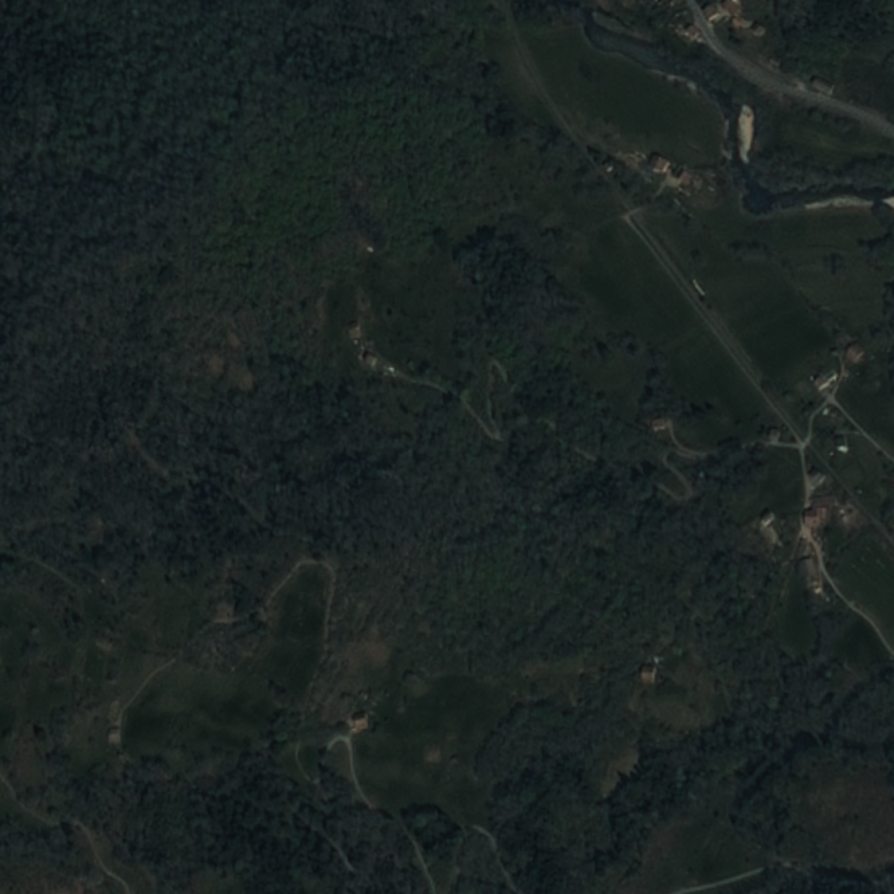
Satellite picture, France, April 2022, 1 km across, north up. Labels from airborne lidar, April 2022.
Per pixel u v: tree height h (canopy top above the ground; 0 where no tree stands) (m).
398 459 7
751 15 0
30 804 7
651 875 0
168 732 0
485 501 24
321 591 0
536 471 21
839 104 0
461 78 8
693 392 0
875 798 0
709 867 0
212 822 27
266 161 15
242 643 20
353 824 35
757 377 0
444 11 26
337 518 21
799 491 0
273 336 19
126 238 16
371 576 7
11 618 0
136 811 10
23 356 18
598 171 8
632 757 0
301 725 13
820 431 6
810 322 0
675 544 19
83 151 19
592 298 0
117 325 18
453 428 19
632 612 11
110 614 0
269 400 15
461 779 0
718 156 0
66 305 13
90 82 20
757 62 0
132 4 24
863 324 0
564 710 8
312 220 25
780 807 26
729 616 15
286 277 26
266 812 8
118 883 0
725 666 15
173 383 21
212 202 15
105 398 21
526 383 23
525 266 25
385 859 27
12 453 13
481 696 0
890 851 0
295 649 0
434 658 10
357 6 15
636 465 7
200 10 17
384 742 0
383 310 0
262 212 19
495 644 22
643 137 0
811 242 0
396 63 22
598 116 0
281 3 25
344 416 12
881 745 7
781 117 0
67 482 20
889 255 17
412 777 0
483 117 21
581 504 19
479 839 22
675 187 0
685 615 12
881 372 0
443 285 0
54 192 17
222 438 23
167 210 16
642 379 0
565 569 20
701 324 0
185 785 25
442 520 21
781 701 18
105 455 28
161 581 0
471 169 30
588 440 14
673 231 0
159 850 7
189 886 7
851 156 0
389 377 0
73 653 0
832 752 17
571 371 10
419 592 21
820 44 15
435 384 9
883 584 0
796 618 0
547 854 17
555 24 16
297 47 28
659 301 0
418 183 20
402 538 19
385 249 30
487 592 24
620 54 0
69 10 25
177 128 22
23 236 13
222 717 0
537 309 29
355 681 0
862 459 0
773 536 0
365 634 11
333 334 0
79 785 14
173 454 21
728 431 0
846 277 21
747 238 0
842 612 9
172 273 13
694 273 0
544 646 22
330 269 14
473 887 22
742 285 0
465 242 0
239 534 12
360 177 27
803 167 14
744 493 22
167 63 28
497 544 16
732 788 16
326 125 23
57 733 21
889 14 20
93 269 16
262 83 18
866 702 23
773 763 26
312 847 23
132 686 0
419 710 0
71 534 21
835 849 0
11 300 18
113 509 19
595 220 0
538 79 0
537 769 22
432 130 19
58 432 21
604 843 7
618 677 17
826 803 0
